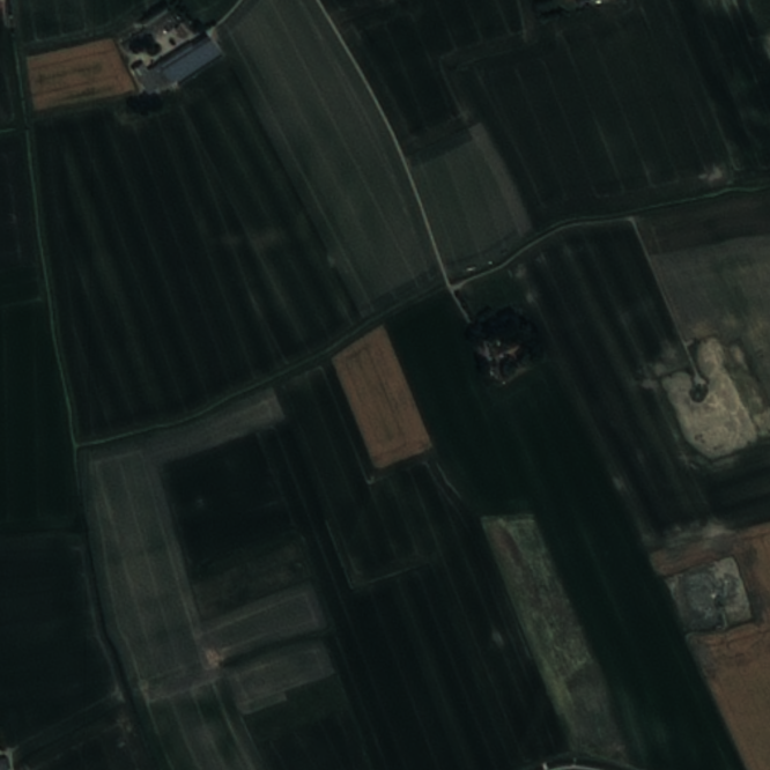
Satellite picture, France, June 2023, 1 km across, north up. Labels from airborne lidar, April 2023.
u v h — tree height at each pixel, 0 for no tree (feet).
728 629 0
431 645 0
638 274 0
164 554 0
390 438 0
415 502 0
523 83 0
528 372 0
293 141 0
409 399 0
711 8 0
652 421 0
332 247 0
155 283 0
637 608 0
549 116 0
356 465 0
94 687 0
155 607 0
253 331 0
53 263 0
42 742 0
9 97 0
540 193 0
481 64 0
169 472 0
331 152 0
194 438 0
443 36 0
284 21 0
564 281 0
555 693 0
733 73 0
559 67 0
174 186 0
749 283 0
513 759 0
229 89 0
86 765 0
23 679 0
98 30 0
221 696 0
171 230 0
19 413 0
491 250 0
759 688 0
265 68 0
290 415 0
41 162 0
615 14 0
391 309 0
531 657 0
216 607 0
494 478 0
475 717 0
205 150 0
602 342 0
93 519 0
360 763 0
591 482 0
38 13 0
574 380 0
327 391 0
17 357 0
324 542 0
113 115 0
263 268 0
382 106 0
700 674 0
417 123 0
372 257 0
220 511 0
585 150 0
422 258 0
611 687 0
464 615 0
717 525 0
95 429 0
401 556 0
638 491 0
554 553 0
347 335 0
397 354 0
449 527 0
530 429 0
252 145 0
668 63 0
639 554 0
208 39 0
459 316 0
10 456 0
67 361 0
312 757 0
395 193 0
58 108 0
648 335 0
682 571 0
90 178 0
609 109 0
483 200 0
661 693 0
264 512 0
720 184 0
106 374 0
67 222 0
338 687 0
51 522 0
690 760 0
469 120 0
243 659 0
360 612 0
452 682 0
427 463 0
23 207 0
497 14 0
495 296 0
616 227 0
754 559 0
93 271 0
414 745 0
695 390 0
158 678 0
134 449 0
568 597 0
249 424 0
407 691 0
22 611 0
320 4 0
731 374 0
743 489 0
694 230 0
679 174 0
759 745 0
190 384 0
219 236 0
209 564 0
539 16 36
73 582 0
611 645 0
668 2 0
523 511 0
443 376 0
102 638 0
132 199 0
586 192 0
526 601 0
